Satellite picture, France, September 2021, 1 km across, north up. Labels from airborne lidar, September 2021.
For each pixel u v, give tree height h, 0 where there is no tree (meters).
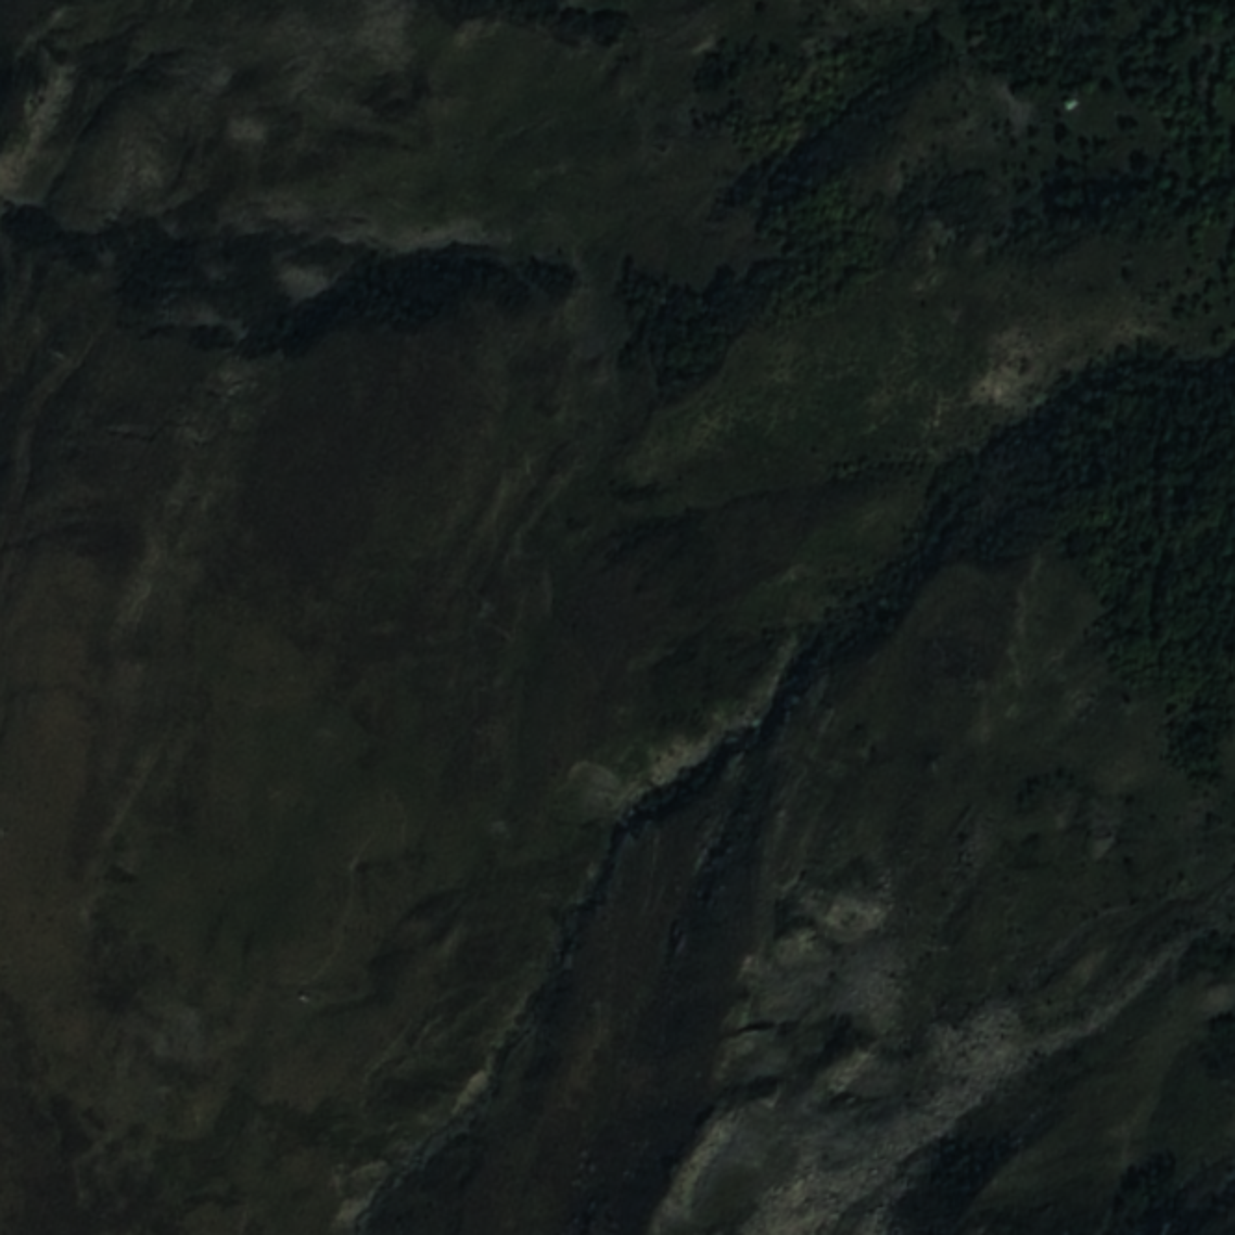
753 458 0
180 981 0
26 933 0
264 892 0
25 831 0
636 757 0
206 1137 0
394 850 0
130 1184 0
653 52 0
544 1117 0
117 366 0
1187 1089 0
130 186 0
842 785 0
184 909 0
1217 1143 0
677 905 0
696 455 0
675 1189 0
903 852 0
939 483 8
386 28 0
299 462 0
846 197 8
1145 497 18
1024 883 0
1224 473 10
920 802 0
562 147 0
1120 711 0
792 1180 0
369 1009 0
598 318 0
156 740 0
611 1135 0
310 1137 0
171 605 0
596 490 0
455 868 0
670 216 0
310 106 0
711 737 0
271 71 0
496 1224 0
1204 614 13
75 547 0
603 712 0
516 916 0
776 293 9
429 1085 0
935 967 0
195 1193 0
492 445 0
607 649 0
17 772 0
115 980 0
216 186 0
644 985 0
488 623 0
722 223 6
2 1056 0
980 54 7
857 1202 0
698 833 0
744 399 0
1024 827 0
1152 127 0
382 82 0
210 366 0
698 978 0
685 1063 0
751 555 0
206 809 0
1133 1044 0
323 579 0
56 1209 0
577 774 0
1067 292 0
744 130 7
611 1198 0
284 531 0
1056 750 0
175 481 0
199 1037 0
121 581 0
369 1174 0
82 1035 0
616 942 0
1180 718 14
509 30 0
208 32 0
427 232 0
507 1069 0
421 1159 0
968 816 0
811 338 0
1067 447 9
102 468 0
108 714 0
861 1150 0
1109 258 0
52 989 0
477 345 0
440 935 0
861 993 0
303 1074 0
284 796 0
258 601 0
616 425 0
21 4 0
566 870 0
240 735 0
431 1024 0
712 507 0
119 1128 0
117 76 0
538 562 0
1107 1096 0
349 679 0
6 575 0
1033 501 7
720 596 0
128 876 0
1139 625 16
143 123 0
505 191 0
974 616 0
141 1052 0
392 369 0
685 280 0
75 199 0
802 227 9
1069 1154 0
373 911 0
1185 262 0
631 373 0
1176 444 7
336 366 0
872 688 0
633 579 0
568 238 0
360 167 0
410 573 0
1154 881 0
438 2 0
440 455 0
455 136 0
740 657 0
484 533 0
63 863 0
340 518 0
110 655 0
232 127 0
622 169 0
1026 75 9
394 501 0
